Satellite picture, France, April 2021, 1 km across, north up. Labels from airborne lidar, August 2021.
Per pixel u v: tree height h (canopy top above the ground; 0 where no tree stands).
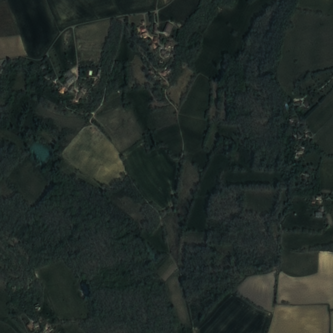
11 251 15
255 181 0
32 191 0
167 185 0
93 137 0
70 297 0
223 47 0
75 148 0
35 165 8
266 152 15
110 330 16
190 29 23
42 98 15
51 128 7
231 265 20
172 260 0
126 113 0
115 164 0
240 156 0
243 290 0
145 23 0
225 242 18
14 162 27
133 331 24
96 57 0
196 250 27
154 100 16
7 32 0
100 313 24
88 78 9
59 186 22
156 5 0
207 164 11
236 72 14
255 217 15
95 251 19
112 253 20
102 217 27
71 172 0
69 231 27
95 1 0
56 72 0
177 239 0
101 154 0
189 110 0
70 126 0
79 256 18
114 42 28
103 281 18
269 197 0
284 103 11
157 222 18
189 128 0
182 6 0
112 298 23
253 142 22
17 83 0
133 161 0
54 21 0
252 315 0
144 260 20
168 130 0
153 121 0
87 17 0
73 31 0
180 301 0
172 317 25
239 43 0
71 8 0
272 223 15
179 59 25
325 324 0
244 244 16
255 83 12
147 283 27
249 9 0
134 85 9
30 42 0
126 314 21
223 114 0
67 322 13
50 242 23
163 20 0
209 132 15
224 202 21
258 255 10
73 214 22
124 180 13
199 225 0
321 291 0
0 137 0
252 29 14
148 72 17
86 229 29
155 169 0
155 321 21
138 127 0
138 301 19
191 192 0
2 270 11
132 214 0
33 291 13
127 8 0
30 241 7
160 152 0
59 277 0
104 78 23
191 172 0
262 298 0
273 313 0
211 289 6
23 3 0
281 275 0
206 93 0
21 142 0
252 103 12
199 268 22
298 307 0
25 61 17
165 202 0
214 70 0
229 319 0
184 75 0
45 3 0
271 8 18
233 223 21
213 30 0
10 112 16
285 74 0
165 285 17
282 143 21
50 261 16
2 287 0
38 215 25
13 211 23
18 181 0
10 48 0
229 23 14
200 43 19
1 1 0
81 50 0
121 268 11
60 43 0
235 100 24
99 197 23
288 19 13
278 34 18
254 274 8
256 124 18
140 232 7
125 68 19
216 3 22
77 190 31
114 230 26
